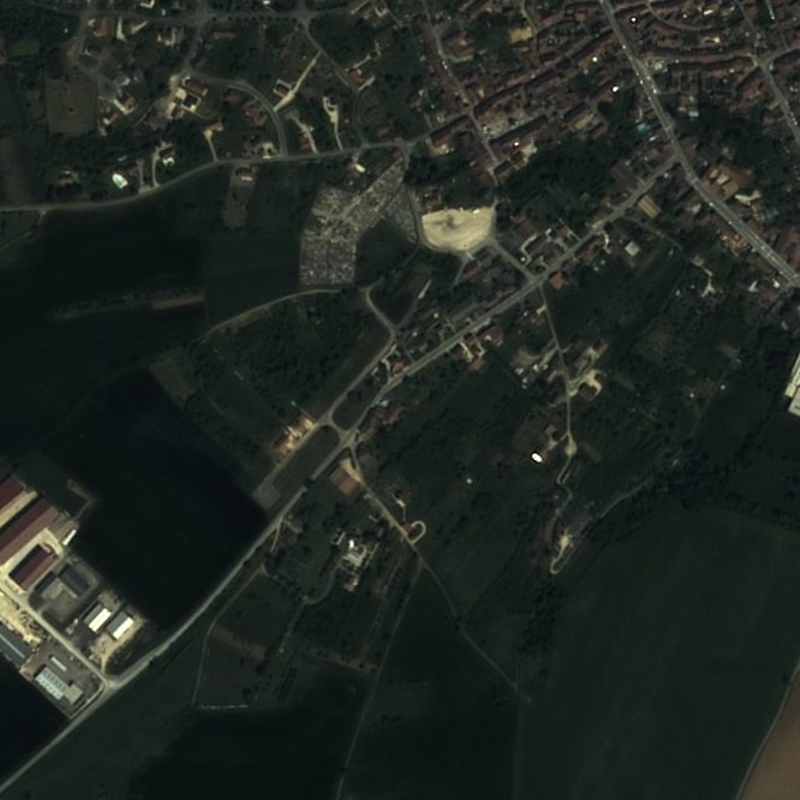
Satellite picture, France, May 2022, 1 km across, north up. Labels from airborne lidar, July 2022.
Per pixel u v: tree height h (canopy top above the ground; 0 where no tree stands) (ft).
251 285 0
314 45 0
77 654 0
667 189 19
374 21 0
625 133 18
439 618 0
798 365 0
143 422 0
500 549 0
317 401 0
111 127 33
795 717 0
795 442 0
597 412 23
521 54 0
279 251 0
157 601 0
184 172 0
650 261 0
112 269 0
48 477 0
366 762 0
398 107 0
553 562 0
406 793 0
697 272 21
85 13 0
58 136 27
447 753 0
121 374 0
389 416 0
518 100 0
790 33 0
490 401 0
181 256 0
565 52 0
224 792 0
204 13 0
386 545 29
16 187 0
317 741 0
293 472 0
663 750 0
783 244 0
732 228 0
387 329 0
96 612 0
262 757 0
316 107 29
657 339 0
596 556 0
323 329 23
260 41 0
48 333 0
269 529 0
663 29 0
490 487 0
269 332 20
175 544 0
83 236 0
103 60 0
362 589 23
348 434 0
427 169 71
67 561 0
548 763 0
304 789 0
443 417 24
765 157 0
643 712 0
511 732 0
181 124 41
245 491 0
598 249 27
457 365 32
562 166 49
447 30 0
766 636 0
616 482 19
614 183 29
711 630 0
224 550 0
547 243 0
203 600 0
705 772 0
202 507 0
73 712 0
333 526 22
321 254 0
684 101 0
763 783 0
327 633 23
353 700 0
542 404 29
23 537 0
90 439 0
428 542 0
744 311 28
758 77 0
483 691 0
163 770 0
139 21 0
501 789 0
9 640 0
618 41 0
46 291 0
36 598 0
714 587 0
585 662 0
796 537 0
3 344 0
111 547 0
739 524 0
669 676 0
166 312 0
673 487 54
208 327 0
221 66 0
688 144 0
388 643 46
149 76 47
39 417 0
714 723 0
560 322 0
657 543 0
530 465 0
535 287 0
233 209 0
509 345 0
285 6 23
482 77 0
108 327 0
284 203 0
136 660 0
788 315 0
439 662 0
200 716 0
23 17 40
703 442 0
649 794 0
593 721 0
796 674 0
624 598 0
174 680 0
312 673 0
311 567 0
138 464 0
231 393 0
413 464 0
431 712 0
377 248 0
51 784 0
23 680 0
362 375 0
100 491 0
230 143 0
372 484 0
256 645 0
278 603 0
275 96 0
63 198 43
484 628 21
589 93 28
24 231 0
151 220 0
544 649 45
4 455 0
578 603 0
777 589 0
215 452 0
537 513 31
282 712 0
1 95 0
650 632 0
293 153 0
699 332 19
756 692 0
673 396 36
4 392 0
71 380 0
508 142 0
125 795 0
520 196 26
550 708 0
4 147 0
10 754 0
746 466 48
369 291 0
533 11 0
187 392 0
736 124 20
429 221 0
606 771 0
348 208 0
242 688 0
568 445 0
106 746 0
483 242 0
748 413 0
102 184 27
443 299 36
